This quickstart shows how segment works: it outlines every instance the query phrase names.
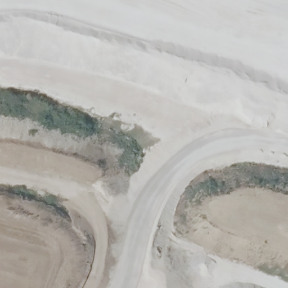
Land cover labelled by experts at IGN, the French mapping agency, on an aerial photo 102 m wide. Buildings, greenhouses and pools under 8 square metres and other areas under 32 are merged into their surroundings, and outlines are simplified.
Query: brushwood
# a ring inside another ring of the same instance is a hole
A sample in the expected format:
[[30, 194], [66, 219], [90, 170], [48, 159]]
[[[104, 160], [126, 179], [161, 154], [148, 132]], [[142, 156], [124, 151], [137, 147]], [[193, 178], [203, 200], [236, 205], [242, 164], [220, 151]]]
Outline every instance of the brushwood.
[[217, 189], [222, 188], [223, 181], [210, 177], [200, 183], [202, 189], [211, 197], [216, 196]]
[[120, 168], [125, 170], [128, 177], [137, 172], [143, 163], [143, 150], [128, 130], [124, 132], [121, 129], [117, 133], [112, 126], [110, 132], [98, 128], [96, 118], [89, 116], [82, 108], [65, 105], [36, 90], [0, 87], [0, 117], [29, 118], [38, 121], [47, 129], [58, 129], [61, 134], [73, 134], [81, 138], [96, 134], [99, 144], [112, 143], [123, 148], [118, 161]]

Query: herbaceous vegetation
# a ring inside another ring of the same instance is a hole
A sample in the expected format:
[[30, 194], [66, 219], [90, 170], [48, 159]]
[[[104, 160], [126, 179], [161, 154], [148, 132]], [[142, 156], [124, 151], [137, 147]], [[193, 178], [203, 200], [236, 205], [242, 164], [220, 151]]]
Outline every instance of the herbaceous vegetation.
[[120, 116], [118, 112], [96, 118], [98, 128], [110, 132], [112, 126], [117, 133], [121, 129], [121, 121], [114, 120], [114, 117]]
[[195, 233], [197, 229], [192, 227], [196, 224], [193, 218], [204, 215], [211, 197], [202, 189], [200, 183], [210, 177], [223, 181], [222, 188], [217, 189], [216, 196], [229, 195], [238, 188], [256, 187], [288, 196], [288, 168], [241, 162], [225, 166], [223, 169], [209, 169], [199, 173], [180, 196], [173, 222], [174, 236], [181, 238], [183, 235]]
[[69, 235], [75, 244], [76, 255], [80, 255], [78, 267], [82, 277], [79, 281], [67, 279], [65, 288], [84, 288], [96, 256], [96, 237], [88, 219], [74, 209], [66, 210], [39, 195], [16, 192], [9, 184], [0, 182], [0, 208], [7, 205], [8, 209], [15, 211], [16, 214], [37, 219], [43, 226], [62, 228]]
[[277, 276], [288, 282], [288, 263], [285, 268], [278, 264], [269, 268], [265, 263], [260, 264], [258, 268], [270, 276]]
[[160, 138], [153, 137], [138, 125], [128, 130], [143, 150], [159, 143]]

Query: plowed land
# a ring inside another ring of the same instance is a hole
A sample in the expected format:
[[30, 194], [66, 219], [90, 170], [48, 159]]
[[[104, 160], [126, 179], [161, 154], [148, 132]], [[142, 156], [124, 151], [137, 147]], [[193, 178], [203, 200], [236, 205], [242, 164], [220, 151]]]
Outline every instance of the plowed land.
[[80, 255], [76, 255], [75, 244], [69, 235], [62, 228], [43, 226], [37, 219], [16, 214], [15, 211], [8, 209], [7, 205], [0, 208], [0, 288], [65, 288], [67, 279], [79, 281], [82, 277], [78, 267]]

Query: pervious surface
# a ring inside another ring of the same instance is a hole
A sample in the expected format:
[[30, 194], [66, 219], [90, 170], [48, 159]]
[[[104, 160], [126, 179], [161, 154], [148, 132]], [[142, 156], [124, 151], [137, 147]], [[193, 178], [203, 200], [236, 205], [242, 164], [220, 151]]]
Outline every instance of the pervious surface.
[[89, 116], [96, 118], [118, 112], [120, 116], [114, 117], [114, 120], [121, 121], [121, 129], [124, 132], [128, 130], [138, 125], [153, 137], [160, 138], [159, 143], [143, 150], [143, 163], [137, 172], [128, 177], [125, 170], [120, 168], [118, 161], [123, 148], [112, 143], [99, 144], [96, 134], [81, 138], [73, 134], [61, 134], [58, 129], [47, 129], [38, 121], [29, 118], [0, 117], [0, 182], [9, 184], [16, 192], [39, 195], [66, 210], [74, 209], [88, 219], [96, 237], [96, 256], [84, 288], [288, 288], [288, 282], [277, 276], [270, 276], [258, 268], [260, 264], [265, 263], [269, 268], [278, 264], [285, 268], [288, 263], [288, 196], [256, 187], [238, 188], [229, 195], [216, 196], [211, 197], [204, 215], [193, 218], [196, 224], [192, 227], [197, 229], [195, 233], [183, 235], [181, 238], [174, 236], [173, 222], [180, 196], [199, 173], [209, 169], [223, 169], [225, 166], [241, 162], [288, 168], [288, 0], [0, 0], [0, 87], [36, 90], [65, 105], [82, 108]]

